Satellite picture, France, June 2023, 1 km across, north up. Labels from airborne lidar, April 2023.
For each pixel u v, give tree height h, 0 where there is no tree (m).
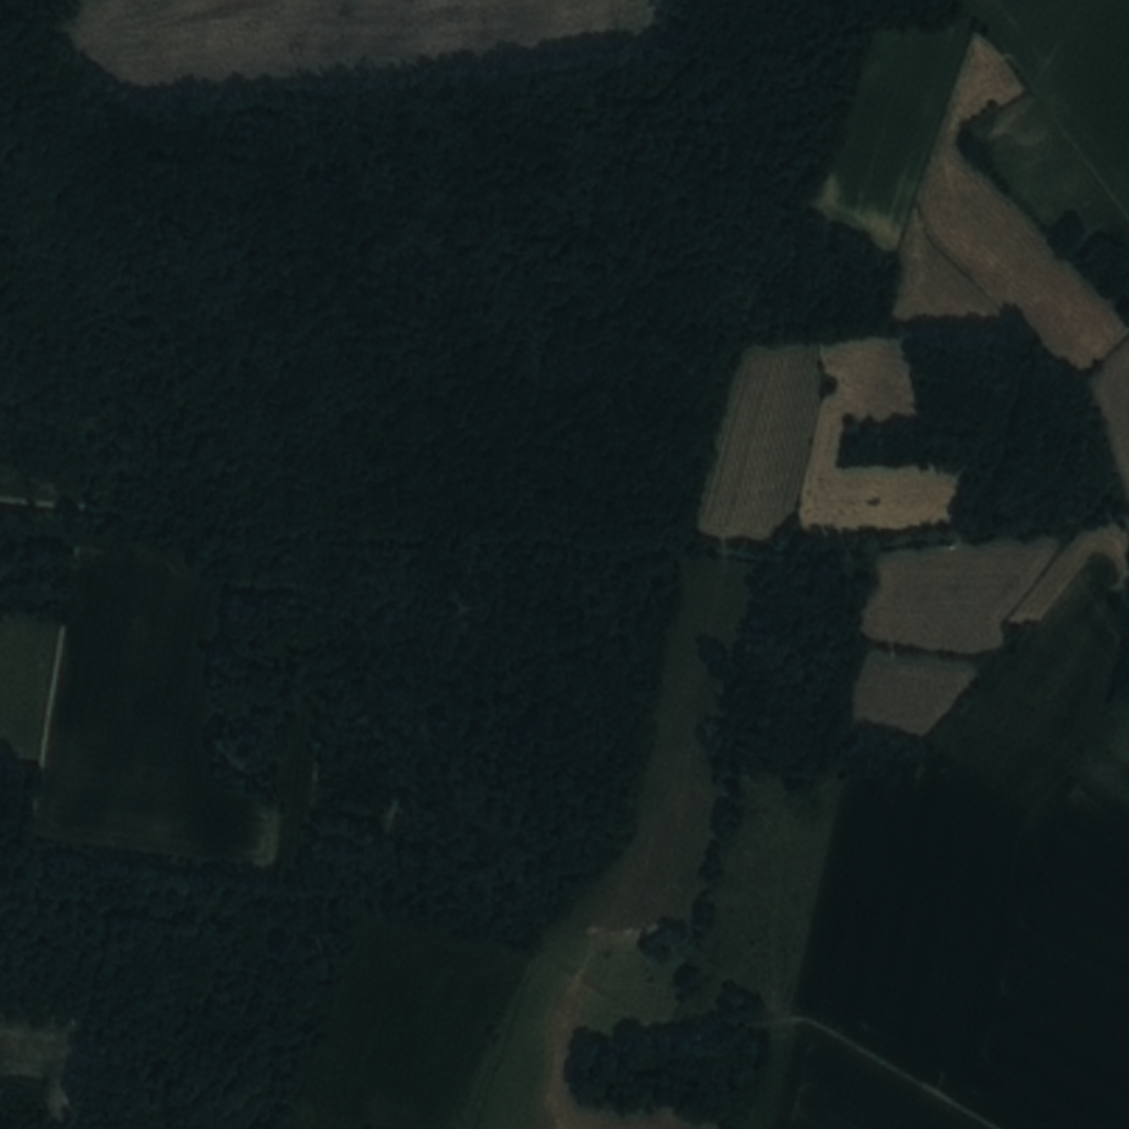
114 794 0
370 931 0
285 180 23
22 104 25
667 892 0
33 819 16
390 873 11
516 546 17
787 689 23
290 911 23
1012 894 0
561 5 0
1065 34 0
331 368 22
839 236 19
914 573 0
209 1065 24
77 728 0
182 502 22
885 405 0
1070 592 0
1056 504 15
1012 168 0
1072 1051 0
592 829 24
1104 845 0
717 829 19
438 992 0
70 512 27
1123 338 0
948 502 0
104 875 17
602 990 0
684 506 21
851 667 22
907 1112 0
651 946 17
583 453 23
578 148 22
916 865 0
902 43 0
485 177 26
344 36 0
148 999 25
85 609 0
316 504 24
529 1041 0
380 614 24
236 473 30
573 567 19
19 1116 12
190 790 0
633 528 21
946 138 0
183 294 21
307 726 0
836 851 0
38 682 0
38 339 27
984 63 0
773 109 27
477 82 21
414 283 18
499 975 0
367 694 29
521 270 26
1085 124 0
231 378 17
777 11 25
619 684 19
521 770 24
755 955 0
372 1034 0
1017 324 23
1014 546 0
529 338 20
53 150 20
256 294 21
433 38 0
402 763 27
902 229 0
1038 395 25
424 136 25
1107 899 0
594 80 24
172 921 24
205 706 0
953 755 0
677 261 27
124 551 0
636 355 26
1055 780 0
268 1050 17
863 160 0
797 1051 0
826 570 26
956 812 0
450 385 23
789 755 24
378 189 25
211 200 19
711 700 0
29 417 24
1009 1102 0
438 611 23
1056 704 0
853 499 0
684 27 24
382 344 20
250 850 0
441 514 26
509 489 21
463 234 18
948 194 0
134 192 23
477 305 23
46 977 26
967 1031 0
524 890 23
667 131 18
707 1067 30
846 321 23
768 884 0
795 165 19
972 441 21
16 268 25
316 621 22
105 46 0
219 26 0
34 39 24
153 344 23
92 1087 21
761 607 22
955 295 0
